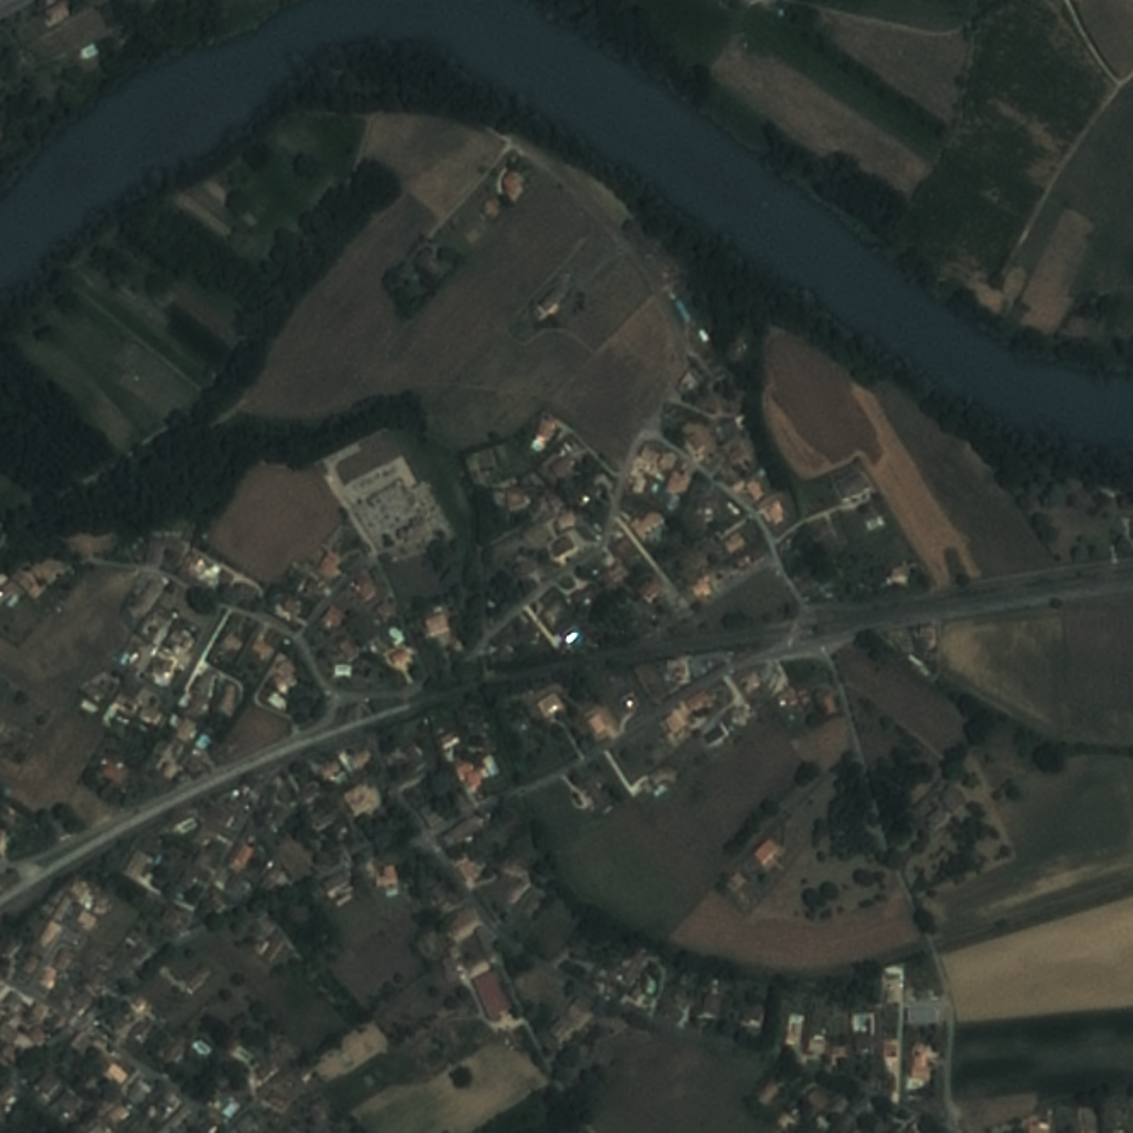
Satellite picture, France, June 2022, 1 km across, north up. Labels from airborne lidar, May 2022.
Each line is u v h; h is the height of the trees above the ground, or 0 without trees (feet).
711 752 0
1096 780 0
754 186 0
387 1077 0
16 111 49
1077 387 0
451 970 0
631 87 0
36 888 0
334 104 77
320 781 22
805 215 0
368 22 0
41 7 24
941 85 0
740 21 0
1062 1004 0
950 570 0
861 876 42
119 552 20
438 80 71
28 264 0
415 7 0
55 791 0
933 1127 45
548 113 0
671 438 20
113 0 22
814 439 0
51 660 0
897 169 0
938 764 0
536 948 22
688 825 0
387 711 0
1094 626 0
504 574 25
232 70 0
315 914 24
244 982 31
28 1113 40
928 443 0
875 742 0
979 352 0
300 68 52
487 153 0
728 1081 0
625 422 0
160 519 69
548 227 0
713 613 0
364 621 0
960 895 0
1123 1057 0
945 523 0
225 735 32
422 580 0
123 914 0
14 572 33
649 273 0
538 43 0
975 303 92
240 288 47
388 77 39
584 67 0
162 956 50
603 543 0
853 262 0
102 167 0
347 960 0
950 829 19
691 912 0
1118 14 0
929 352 0
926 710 0
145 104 0
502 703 39
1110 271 0
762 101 0
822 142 0
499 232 0
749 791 0
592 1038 27
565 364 0
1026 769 0
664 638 0
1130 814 0
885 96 31
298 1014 0
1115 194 0
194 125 0
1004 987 0
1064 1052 0
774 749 0
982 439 54
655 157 0
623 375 0
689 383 0
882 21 0
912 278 86
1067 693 0
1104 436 0
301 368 0
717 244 45
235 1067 32
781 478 52
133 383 0
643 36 84
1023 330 20
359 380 0
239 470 52
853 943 0
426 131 0
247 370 70
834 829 34
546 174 0
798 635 0
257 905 66
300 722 28
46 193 0
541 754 35
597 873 0
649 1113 0
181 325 0
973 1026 0
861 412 0
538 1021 37
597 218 0
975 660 0
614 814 0
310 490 0
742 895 0
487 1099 0
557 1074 38
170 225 38
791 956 0
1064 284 0
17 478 31
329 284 0
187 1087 32
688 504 30
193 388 0
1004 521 0
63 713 0
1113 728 0
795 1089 27
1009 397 0
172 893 42
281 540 0
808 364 0
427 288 26
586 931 47
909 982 0
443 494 0
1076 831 0
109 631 0
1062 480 45
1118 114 0
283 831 25
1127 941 0
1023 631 0
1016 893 0
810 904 41
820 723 32
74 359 0
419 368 0
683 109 0
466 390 0
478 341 0
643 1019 36
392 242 0
